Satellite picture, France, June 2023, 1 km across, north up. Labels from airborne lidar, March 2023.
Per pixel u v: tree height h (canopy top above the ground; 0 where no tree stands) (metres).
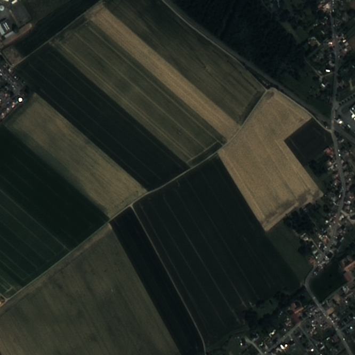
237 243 0
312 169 10
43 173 0
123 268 0
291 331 0
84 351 0
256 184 0
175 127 0
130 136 0
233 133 0
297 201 0
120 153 0
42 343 0
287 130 0
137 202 0
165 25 0
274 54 29
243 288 0
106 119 0
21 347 0
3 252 0
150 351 0
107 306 0
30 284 0
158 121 0
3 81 0
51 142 0
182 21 0
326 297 0
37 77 0
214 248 0
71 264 0
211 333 0
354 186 13
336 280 0
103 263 0
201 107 0
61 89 0
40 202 0
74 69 0
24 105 0
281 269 0
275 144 0
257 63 9
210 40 0
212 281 0
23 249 0
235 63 0
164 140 0
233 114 0
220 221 0
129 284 0
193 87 0
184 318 0
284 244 0
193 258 0
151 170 0
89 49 0
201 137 0
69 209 0
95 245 0
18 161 0
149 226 0
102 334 0
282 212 0
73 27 0
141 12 0
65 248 0
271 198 0
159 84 0
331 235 0
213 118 0
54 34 0
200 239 0
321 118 0
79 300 0
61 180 0
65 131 0
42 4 0
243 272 0
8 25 0
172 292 0
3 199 0
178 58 0
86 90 0
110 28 0
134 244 0
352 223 0
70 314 0
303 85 0
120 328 0
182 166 0
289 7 0
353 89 0
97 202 0
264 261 0
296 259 0
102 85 0
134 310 0
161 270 0
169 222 0
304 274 0
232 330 0
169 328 0
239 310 0
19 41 0
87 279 0
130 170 0
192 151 0
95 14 0
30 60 0
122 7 0
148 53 0
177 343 0
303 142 0
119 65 0
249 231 0
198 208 0
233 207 0
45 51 0
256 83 0
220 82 0
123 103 0
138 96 0
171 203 0
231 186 0
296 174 0
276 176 0
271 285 0
